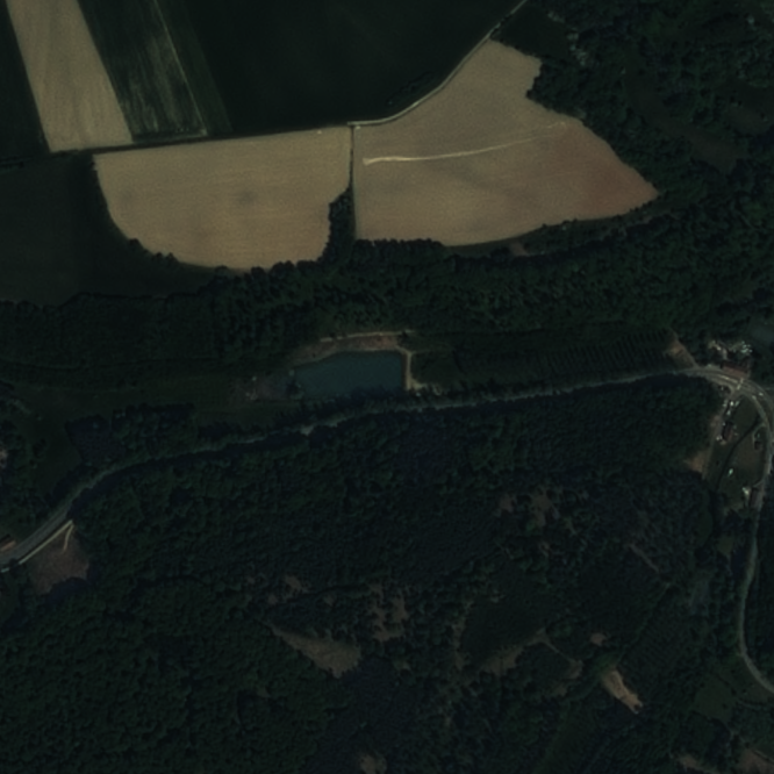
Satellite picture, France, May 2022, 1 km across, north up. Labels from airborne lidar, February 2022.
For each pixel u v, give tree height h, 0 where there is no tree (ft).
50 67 0
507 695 65
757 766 0
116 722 91
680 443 56
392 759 113
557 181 0
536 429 59
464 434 66
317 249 0
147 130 0
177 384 0
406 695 75
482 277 100
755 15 0
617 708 64
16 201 0
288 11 0
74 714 85
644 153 50
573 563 105
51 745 93
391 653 65
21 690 78
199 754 86
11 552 0
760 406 0
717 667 48
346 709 73
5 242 0
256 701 78
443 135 0
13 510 36
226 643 86
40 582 0
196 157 0
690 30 0
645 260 112
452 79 0
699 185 54
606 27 72
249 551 26
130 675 84
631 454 57
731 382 0
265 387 0
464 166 0
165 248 0
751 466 0
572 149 0
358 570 29
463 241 0
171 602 85
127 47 0
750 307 79
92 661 86
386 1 0
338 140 0
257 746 82
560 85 37
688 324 77
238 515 43
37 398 0
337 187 0
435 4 0
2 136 0
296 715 77
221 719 93
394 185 0
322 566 38
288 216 0
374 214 0
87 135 0
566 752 0
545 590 71
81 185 0
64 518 0
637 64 0
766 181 105
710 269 96
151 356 31
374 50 0
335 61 0
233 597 58
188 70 0
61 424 0
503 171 0
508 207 0
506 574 33
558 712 78
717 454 0
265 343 97
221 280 39
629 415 54
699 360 33
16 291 0
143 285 0
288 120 0
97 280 0
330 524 27
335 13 0
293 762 81
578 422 64
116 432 57
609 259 110
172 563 23
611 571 60
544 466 70
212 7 0
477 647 30
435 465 95
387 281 94
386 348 0
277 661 85
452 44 0
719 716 0
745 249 96
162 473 82
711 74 52
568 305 103
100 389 23
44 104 0
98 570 85
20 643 78
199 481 88
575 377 87
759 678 0
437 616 56
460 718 102
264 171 0
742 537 42
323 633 38
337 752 74
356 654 0
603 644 20
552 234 24
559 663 35
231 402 0
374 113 0
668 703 52
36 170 0
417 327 59
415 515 39
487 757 108
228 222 0
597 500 69
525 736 77
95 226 0
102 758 78
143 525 72
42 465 0
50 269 0
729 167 0
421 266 86
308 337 43
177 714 78
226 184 0
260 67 0
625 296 104
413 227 0
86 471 44
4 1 0
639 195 0
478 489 47
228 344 89
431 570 44
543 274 98
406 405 65
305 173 0
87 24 0
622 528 73
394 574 36
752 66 76
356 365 0
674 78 85
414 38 0
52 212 0
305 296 0
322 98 0
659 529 118
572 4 80
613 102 81
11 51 0
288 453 81
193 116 0
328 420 43
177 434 67
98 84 0
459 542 40
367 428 76
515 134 0
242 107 0
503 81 0
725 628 76
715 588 44
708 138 0
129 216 0
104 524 85
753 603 28
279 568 26
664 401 61
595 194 0
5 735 89
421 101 0
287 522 37
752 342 0
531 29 0
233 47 0
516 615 32
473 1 0
